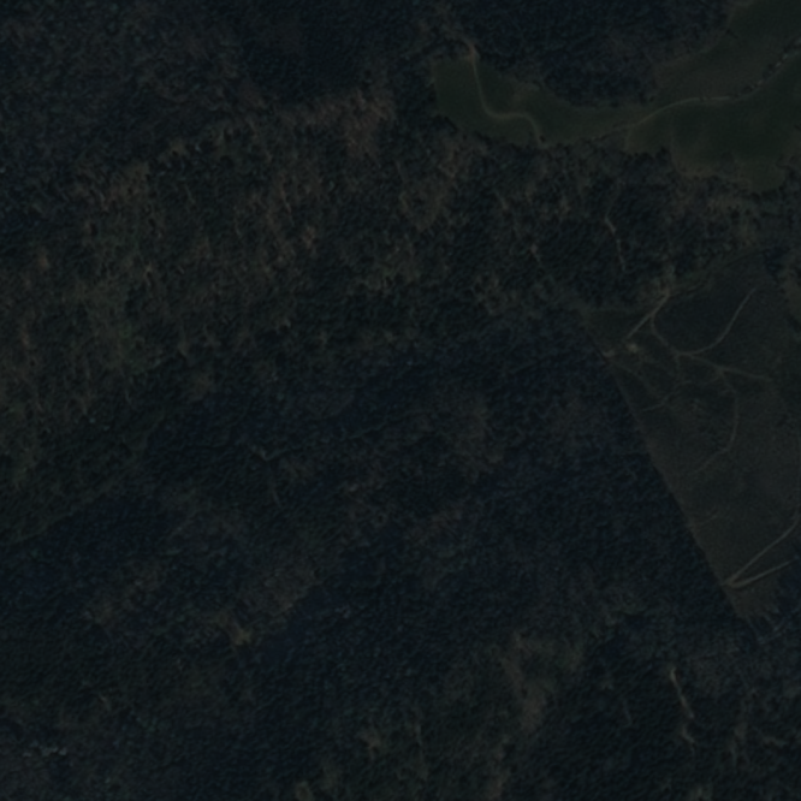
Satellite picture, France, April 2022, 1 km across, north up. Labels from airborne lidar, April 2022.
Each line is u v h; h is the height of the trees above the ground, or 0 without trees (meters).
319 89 20
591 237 31
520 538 30
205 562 27
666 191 17
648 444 29
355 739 12
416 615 22
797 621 26
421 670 21
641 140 0
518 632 25
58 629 23
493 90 0
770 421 0
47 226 27
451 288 23
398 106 25
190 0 13
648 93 24
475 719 23
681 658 22
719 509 0
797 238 24
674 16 32
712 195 18
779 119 0
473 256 23
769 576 0
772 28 0
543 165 17
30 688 25
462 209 28
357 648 29
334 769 22
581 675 28
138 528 21
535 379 22
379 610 30
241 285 24
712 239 27
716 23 32
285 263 24
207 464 27
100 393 23
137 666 21
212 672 21
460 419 27
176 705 22
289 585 30
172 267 25
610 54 32
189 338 25
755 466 0
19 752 33
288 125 25
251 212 30
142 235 19
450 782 26
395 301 23
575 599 30
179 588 28
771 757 24
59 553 24
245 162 25
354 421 30
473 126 0
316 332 18
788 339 0
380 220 18
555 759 29
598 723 29
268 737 22
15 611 23
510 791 25
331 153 32
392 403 32
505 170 22
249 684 27
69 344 28
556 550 32
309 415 35
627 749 27
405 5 24
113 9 28
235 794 22
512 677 25
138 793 28
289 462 17
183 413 25
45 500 34
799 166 9
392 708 15
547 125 0
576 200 21
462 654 22
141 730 28
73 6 8
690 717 14
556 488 26
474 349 31
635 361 7
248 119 14
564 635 20
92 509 27
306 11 24
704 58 0
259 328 19
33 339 29
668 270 23
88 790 27
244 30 13
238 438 22
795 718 19
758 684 23
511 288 26
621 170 23
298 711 21
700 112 0
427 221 25
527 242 19
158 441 23
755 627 0
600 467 22
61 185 7
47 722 21
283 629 7
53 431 25
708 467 0
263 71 11
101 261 18
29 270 28
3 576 8
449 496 6
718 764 29
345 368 25
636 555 23
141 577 30
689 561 30
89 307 20
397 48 27
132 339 25
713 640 20
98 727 23
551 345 28
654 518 26
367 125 28
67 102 7
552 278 30
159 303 26
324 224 27
